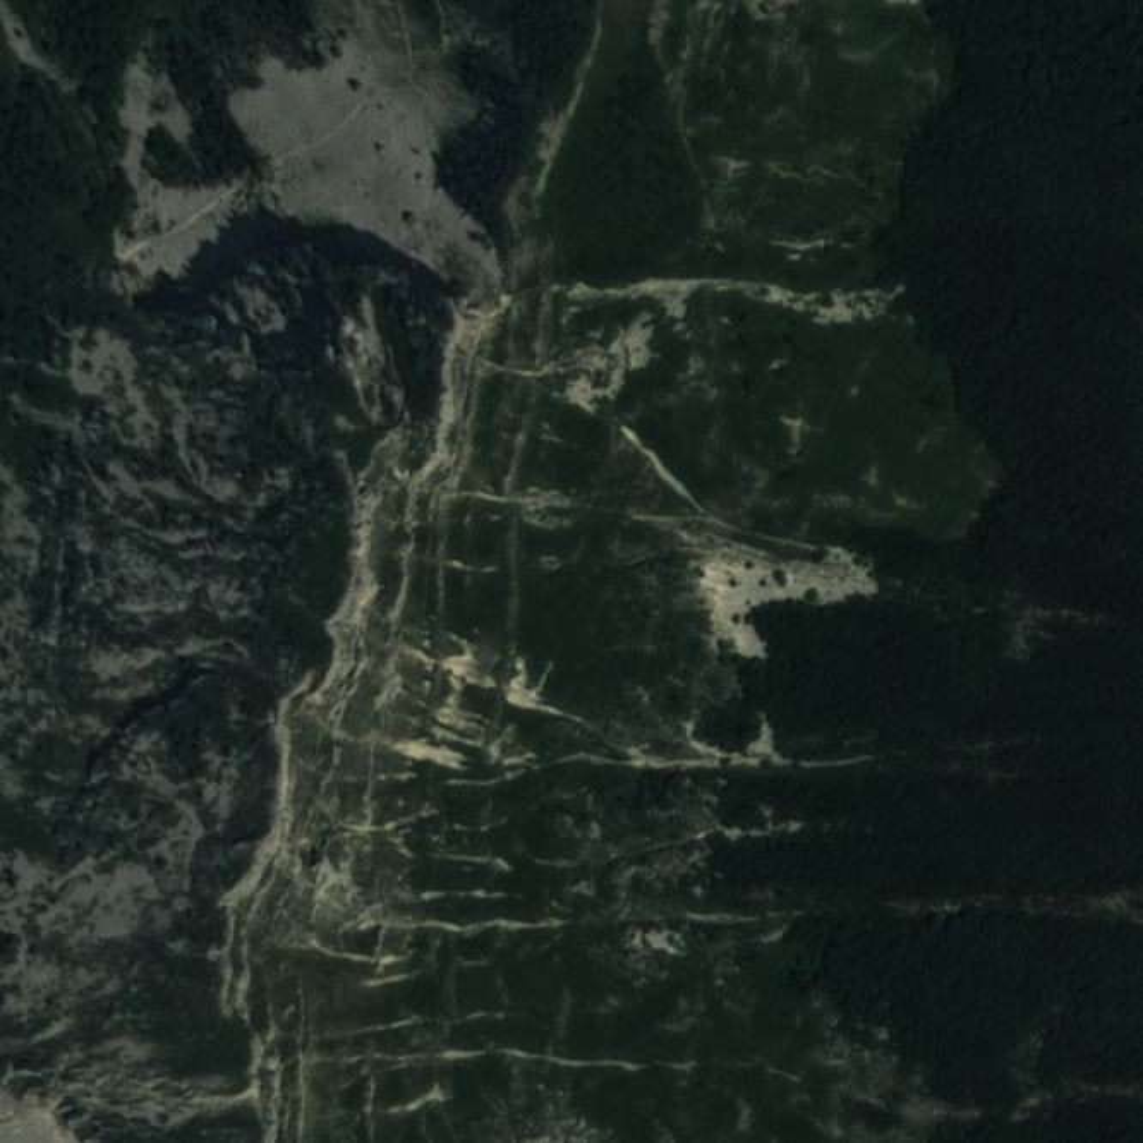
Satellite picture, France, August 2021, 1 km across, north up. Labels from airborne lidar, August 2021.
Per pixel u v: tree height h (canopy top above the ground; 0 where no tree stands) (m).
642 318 0
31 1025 0
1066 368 21
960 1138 6
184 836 0
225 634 0
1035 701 19
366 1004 0
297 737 0
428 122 0
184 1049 0
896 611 8
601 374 0
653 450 0
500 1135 0
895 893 8
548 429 0
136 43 0
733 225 0
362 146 0
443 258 0
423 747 0
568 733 0
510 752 0
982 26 27
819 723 17
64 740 0
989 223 20
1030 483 11
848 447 0
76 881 0
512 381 0
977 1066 11
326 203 0
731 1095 0
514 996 0
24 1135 0
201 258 0
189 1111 0
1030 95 14
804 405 0
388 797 0
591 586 0
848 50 0
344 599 0
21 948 0
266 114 0
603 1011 0
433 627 0
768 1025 0
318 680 0
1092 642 14
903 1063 7
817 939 10
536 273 0
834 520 0
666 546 0
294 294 8
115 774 0
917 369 0
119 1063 0
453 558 0
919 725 10
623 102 7
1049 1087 14
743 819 8
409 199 0
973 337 16
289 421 0
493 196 9
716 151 0
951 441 0
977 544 11
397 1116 0
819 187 0
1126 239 16
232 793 0
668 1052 0
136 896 0
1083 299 21
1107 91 18
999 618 10
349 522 0
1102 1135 10
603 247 0
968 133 24
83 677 0
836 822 8
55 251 0
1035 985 24
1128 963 19
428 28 0
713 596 0
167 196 0
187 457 0
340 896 0
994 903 6
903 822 7
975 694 17
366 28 0
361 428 0
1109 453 25
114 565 0
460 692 0
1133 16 26
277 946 0
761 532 0
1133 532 12
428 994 0
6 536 0
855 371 0
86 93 14
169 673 0
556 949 0
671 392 0
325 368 0
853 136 0
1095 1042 14
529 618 0
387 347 0
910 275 9
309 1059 0
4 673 0
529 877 0
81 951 0
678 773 9
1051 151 11
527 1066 0
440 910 0
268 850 0
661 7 0
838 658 24
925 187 15
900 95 0
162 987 0
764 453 0
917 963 20
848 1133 0
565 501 0
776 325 0
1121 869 14
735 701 9
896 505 0
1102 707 16
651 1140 0
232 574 0
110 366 0
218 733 0
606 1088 0
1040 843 12
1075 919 9
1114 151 17
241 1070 0
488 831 0
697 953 0
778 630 19
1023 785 11
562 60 8
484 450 0
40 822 0
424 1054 0
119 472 0
